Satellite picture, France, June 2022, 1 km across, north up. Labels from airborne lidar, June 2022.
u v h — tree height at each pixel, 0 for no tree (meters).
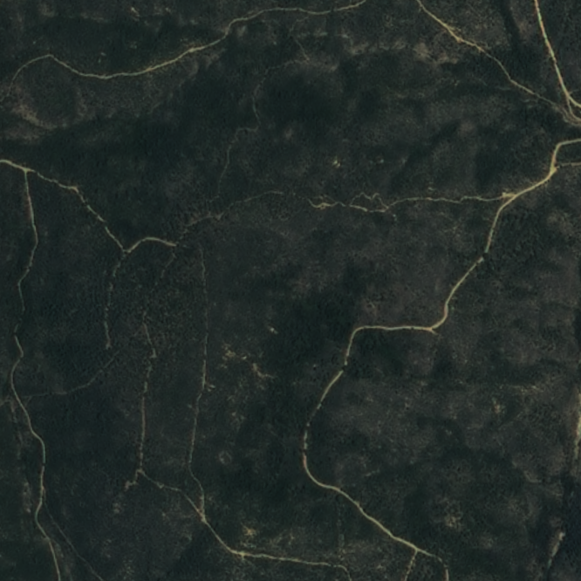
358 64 7
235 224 6
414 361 0
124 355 7
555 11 8
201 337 8
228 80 6
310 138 6
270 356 7
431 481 0
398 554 6
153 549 7
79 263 9
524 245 8
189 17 0
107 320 10
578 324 7
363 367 10
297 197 8
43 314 8
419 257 0
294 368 8
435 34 6
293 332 8
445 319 0
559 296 0
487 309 6
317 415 7
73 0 7
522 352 0
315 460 7
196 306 6
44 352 7
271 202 8
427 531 7
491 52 10
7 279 7
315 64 0
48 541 0
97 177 7
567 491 7
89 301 6
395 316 0
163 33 8
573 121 0
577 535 7
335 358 8
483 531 6
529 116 10
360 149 8
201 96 6
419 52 0
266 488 8
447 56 0
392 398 0
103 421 8
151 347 7
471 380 6
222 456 0
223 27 0
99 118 10
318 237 6
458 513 7
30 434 0
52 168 7
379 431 0
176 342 7
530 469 0
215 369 8
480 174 8
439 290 0
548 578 6
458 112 0
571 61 0
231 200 7
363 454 7
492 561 6
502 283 7
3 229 6
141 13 6
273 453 9
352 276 7
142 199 7
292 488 7
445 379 7
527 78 6
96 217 8
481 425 0
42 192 7
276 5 7
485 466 7
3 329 6
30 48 6
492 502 6
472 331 0
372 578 6
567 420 0
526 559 7
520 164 7
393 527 7
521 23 0
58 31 7
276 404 8
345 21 7
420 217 0
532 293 6
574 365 0
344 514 5
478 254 7
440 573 7
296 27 0
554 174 0
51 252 5
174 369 7
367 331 7
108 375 8
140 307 6
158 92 6
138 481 7
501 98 7
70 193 6
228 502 6
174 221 7
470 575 9
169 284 8
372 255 0
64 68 6
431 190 7
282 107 6
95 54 6
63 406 7
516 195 0
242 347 7
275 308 7
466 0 6
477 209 6
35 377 7
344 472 0
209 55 7
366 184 6
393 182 6
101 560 5
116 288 7
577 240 8
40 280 7
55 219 9
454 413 0
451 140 9
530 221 8
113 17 6
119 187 8
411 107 6
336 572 8
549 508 12
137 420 0
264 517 6
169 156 7
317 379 10
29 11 7
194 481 6
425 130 0
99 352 8
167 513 6
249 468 6
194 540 7
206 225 6
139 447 6
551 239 8
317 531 6
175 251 7
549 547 6
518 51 7
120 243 7
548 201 6
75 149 8
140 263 6
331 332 8
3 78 6
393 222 6
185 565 6
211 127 7
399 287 0
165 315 7
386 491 7
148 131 7
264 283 8
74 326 8
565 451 7
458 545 8
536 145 8
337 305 10
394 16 7
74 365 9
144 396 6
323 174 6
